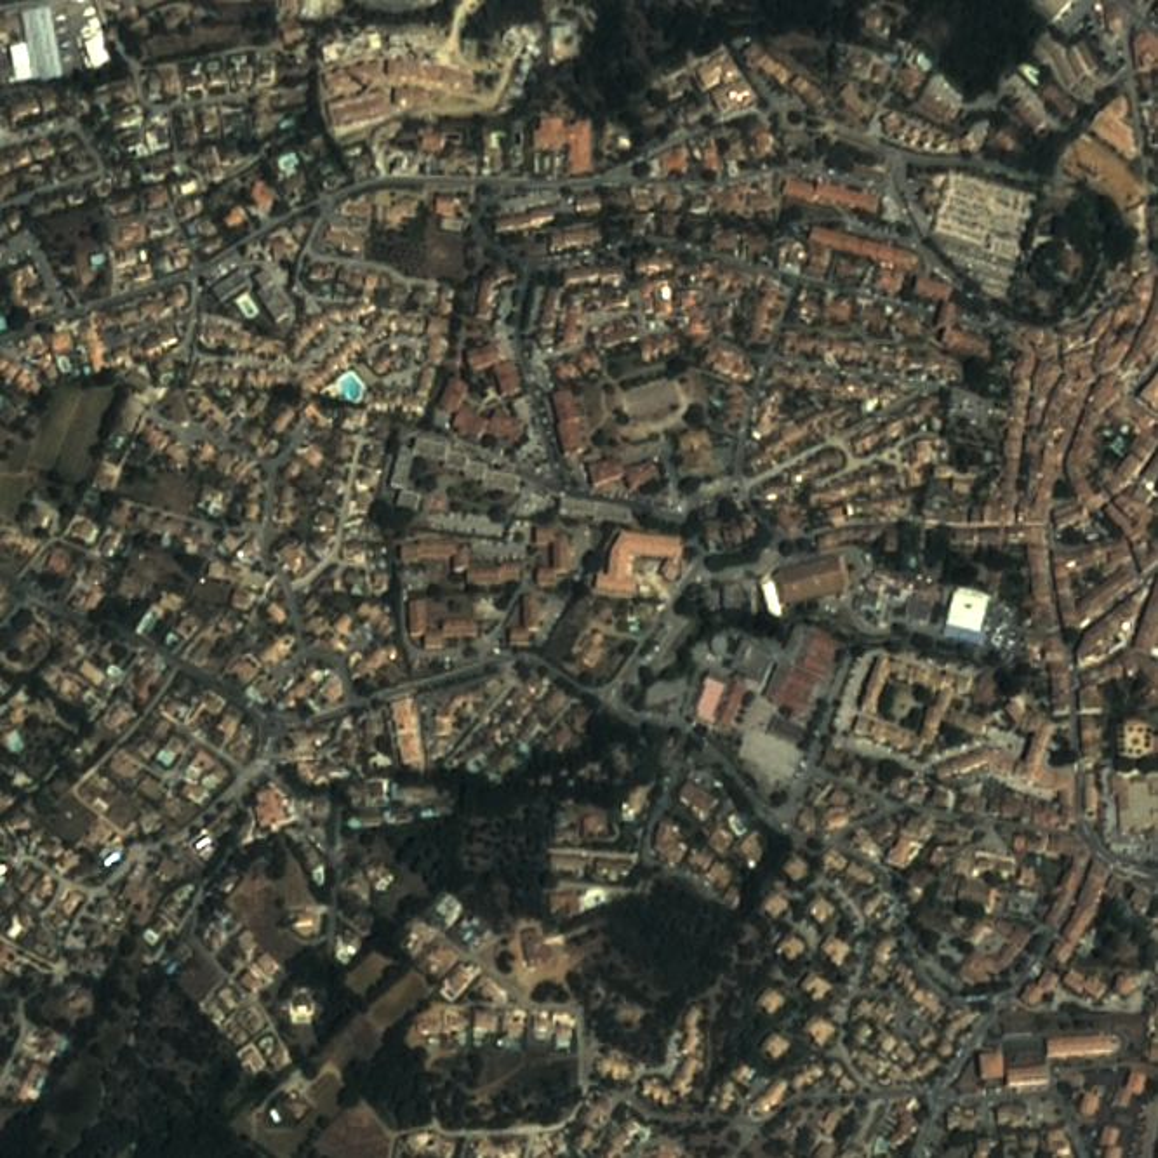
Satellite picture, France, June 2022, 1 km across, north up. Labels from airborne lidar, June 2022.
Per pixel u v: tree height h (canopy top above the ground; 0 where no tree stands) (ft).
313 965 29
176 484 0
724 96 0
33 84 25
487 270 36
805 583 0
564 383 20
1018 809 0
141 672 20
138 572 0
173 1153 46
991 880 34
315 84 29
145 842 27
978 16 19
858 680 0
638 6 23
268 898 0
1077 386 0
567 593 36
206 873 35
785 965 33
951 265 33
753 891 44
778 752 0
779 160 30
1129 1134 0
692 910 34
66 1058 33
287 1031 19
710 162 0
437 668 24
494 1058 0
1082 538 19
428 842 33
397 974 44
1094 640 0
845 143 28
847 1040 28
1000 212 0
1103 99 39
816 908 0
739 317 21
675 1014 21
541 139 0
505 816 33
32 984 21
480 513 32
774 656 0
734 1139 20
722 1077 25
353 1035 0
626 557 39
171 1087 44
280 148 25
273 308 0
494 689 0
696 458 0
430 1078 36
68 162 27
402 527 37
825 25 30
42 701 28
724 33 28
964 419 24
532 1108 30
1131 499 0
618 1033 21
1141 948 28
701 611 19
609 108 22
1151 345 0
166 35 20
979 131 0
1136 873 0
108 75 25
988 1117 0
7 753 25
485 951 0
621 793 43
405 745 0
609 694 0
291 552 0
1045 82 29
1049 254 42
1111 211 61
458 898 25
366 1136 0
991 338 24
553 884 43
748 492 0
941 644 23
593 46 30
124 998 46
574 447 0
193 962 18
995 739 0
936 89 0
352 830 26
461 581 36
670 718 0
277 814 0
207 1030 31
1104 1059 0
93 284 19
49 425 0
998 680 38
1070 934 0
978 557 33
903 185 0
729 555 32
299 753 0
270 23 42
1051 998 32
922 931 32
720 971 24
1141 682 32
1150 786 0
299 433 0
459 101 0
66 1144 0
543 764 49
